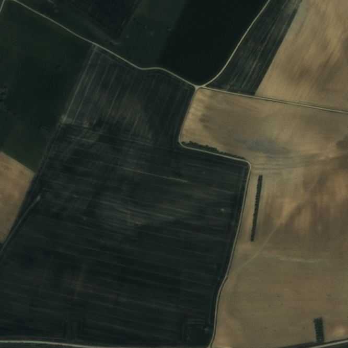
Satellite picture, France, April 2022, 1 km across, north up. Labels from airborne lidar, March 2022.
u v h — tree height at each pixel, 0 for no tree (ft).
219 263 0
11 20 0
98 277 0
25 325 0
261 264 0
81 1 0
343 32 0
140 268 0
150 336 0
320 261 0
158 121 0
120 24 0
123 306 0
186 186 0
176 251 0
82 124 0
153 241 0
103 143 0
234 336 0
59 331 0
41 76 0
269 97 0
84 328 0
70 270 0
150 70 0
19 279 0
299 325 0
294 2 0
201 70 0
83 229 0
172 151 0
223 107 0
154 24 0
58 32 0
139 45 0
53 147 0
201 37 0
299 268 0
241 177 0
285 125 0
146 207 0
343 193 0
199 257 0
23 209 0
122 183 0
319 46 0
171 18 0
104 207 0
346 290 0
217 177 0
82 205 0
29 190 0
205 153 0
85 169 0
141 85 0
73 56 0
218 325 0
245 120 0
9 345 36
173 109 0
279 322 0
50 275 0
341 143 0
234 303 0
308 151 0
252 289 0
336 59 0
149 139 0
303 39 0
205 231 0
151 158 0
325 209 0
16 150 0
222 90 0
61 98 0
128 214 0
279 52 0
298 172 0
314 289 0
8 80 0
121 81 0
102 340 0
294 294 0
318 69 0
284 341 0
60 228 0
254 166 0
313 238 0
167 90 0
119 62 0
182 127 0
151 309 0
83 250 0
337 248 0
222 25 0
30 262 0
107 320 0
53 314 0
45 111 0
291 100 0
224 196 0
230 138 0
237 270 0
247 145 0
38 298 0
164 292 0
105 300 0
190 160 0
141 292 0
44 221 0
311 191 0
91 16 0
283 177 0
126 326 0
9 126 0
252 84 0
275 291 0
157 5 0
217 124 0
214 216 0
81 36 0
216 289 0
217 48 0
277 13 0
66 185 0
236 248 0
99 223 0
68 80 0
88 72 0
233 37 0
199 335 0
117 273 0
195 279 0
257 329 0
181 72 0
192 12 0
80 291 0
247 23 0
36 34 0
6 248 0
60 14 0
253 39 0
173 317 0
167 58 0
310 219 0
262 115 0
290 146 0
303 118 0
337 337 0
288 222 0
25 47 0
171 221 0
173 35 0
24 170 0
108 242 0
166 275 0
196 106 0
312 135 0
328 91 0
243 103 0
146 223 0
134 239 0
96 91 0
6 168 0
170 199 0
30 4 0
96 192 0
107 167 0
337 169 0
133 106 0
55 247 0
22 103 0
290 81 0
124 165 0
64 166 0
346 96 0
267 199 0
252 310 0
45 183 0
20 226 0
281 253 0
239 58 0
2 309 0
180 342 0
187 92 0
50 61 0
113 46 19
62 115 0
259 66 0
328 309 0
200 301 0
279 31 0
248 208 0
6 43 0
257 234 0
